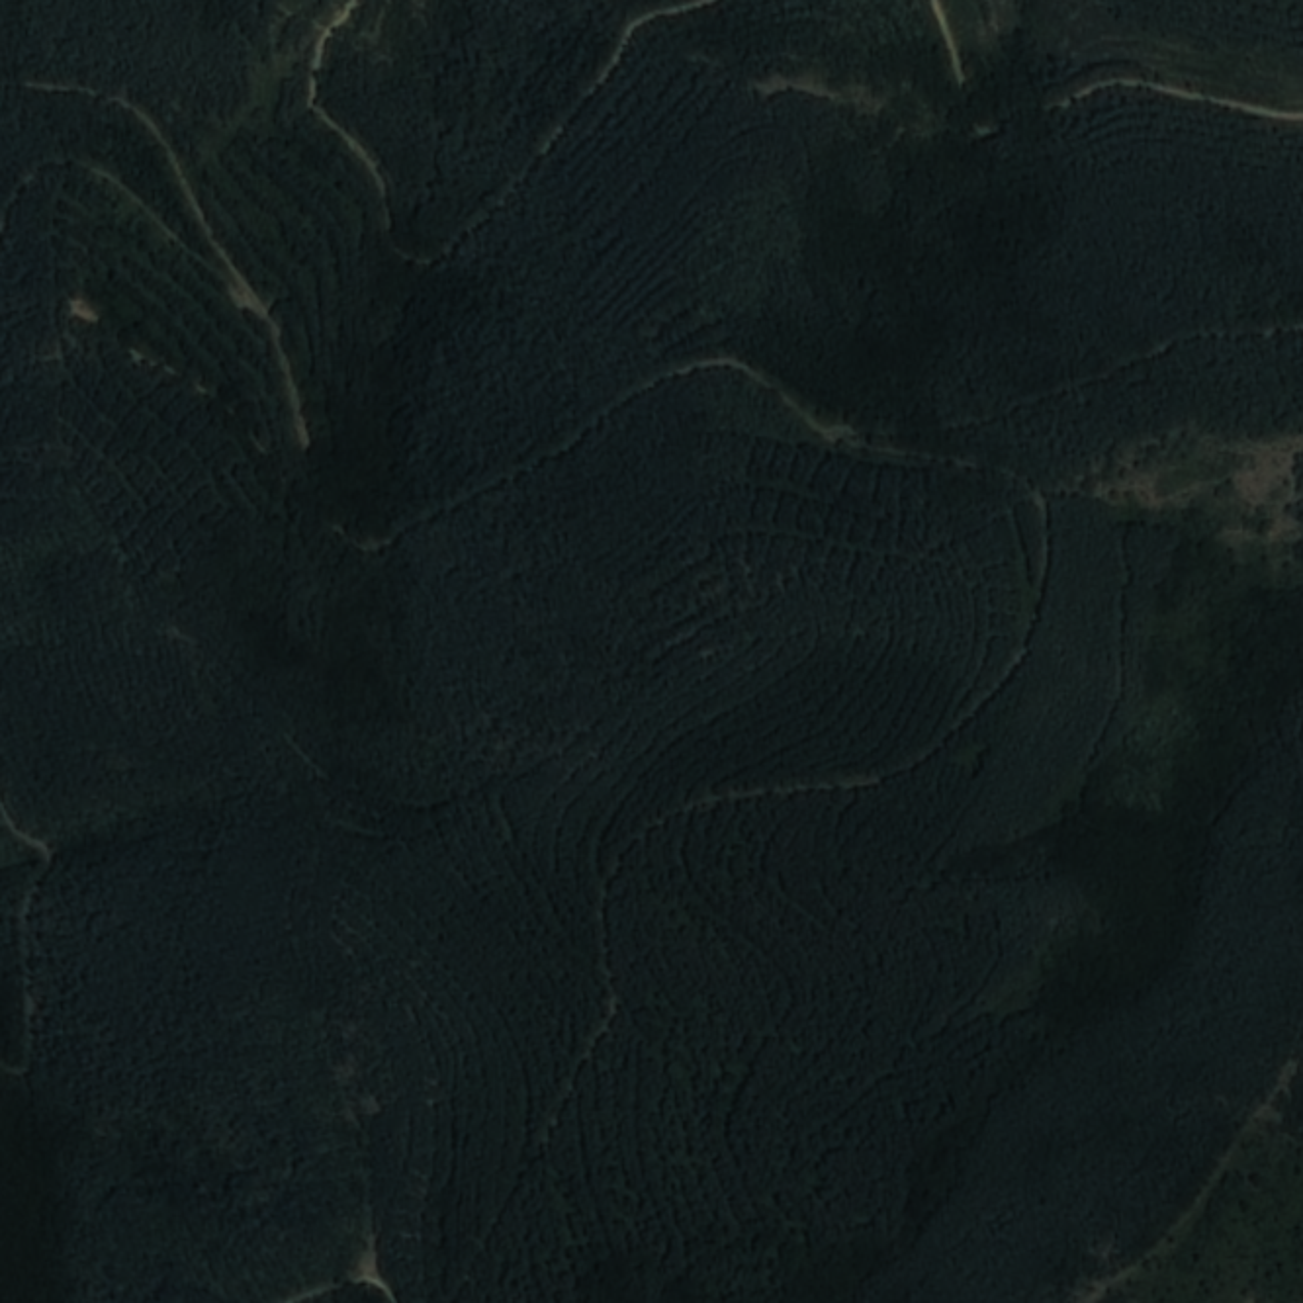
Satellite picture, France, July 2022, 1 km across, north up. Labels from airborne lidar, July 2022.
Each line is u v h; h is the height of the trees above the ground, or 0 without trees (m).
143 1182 8
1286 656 22
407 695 16
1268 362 17
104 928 11
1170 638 6
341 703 17
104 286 7
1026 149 12
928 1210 15
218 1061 11
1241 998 13
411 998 15
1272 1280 12
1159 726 6
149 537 15
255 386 17
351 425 18
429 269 9
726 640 12
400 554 13
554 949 16
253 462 9
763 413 9
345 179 17
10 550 12
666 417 13
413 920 17
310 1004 10
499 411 14
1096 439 16
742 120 14
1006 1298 7
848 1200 21
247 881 10
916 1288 13
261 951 12
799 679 15
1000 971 20
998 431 10
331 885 11
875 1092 19
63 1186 11
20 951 9
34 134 12
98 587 10
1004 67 15
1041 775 18
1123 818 17
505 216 12
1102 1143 12
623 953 16
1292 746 8
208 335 13
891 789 19
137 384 17
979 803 20
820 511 15
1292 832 10
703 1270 15
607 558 13
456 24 14
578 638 11
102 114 11
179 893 12
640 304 11
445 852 15
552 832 17
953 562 16
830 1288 17
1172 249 14
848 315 19
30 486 9
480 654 13
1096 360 12
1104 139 12
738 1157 18
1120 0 16
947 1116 24
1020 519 14
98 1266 8
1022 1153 18
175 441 21
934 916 16
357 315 16
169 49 11
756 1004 15
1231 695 17
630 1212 21
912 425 12
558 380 12
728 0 7
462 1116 19
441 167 24
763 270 11
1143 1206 11
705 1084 17
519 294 7
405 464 13
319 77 13
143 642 8
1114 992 18
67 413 14
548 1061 17
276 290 11
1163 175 16
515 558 15
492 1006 17
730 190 14
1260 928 12
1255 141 13
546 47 10
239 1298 8
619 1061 13
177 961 10
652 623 8
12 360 11
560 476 12
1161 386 14
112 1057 7
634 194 9
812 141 14
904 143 12
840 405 12
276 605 20
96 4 15
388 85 13
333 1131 9
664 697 16
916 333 14
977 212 17
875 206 19
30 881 8
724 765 22
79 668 10
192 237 13
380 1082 9
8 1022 8
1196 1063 11
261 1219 8
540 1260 15
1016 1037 25
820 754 17
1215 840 16
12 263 11
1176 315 13
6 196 12
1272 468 0
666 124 13
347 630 19
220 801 9
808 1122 23
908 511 11
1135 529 20
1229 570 6
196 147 14
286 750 12
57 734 15
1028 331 13
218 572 15
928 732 20
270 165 13
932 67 12
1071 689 16
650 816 16
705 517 13
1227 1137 12
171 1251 9
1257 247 14
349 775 19
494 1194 21
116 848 15
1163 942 18
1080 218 15
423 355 14
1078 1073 18
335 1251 6
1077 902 16
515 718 12
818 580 17
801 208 10
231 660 11
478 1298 19
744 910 13
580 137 10
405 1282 14
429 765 14
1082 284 11
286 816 10
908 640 17
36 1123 9
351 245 19
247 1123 14
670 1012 15
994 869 14
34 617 8
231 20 16
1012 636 14
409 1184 12
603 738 14
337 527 8
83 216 13
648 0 8
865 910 15
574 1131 17
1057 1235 12
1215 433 10
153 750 12
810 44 8
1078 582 20
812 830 22
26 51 14
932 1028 24
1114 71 17
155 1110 10
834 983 15
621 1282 17
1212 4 11
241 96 12
